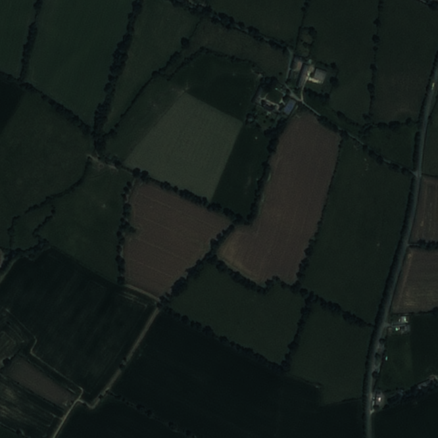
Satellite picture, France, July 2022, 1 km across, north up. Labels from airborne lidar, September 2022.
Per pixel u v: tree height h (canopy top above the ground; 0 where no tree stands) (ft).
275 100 0
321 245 0
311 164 0
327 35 0
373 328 24
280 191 0
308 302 70
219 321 0
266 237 0
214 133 0
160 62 0
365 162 0
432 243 46
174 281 0
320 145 0
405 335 0
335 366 0
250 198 0
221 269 60
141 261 0
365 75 0
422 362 0
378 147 0
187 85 0
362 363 0
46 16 0
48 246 26
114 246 0
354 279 0
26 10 0
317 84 0
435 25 0
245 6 0
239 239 0
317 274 0
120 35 0
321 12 0
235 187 0
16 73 0
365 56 0
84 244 0
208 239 0
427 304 0
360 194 0
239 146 0
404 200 0
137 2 30
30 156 0
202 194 0
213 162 0
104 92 0
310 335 0
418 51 0
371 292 0
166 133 0
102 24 0
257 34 45
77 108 0
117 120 0
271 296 0
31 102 0
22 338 0
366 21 0
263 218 0
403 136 0
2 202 0
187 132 0
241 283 36
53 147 0
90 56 0
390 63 0
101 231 0
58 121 0
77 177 0
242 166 0
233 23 77
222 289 0
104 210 0
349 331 0
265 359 40
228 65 0
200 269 27
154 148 0
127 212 54
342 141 24
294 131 0
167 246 0
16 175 0
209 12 75
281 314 0
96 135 48
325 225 0
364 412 22
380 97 0
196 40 0
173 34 0
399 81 0
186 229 0
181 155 0
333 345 0
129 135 0
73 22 0
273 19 0
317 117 24
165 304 67
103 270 0
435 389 50
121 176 0
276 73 0
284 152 0
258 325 0
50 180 0
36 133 0
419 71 0
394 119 0
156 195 0
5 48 0
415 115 0
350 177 0
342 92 0
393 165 35
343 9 0
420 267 0
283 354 0
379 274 0
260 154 0
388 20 0
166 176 0
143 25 0
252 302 0
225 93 0
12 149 0
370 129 51
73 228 0
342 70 0
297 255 0
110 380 0
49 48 0
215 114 0
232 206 0
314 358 0
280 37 0
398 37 0
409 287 0
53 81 0
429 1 21
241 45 0
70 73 0
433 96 0
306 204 0
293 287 38
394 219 0
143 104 0
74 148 0
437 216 0
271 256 0
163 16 0
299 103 32
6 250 22
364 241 0
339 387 0
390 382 0
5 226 0
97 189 0
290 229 0
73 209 0
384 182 0
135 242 0
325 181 0
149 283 0
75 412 0
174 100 0
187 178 0
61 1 0
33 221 0
